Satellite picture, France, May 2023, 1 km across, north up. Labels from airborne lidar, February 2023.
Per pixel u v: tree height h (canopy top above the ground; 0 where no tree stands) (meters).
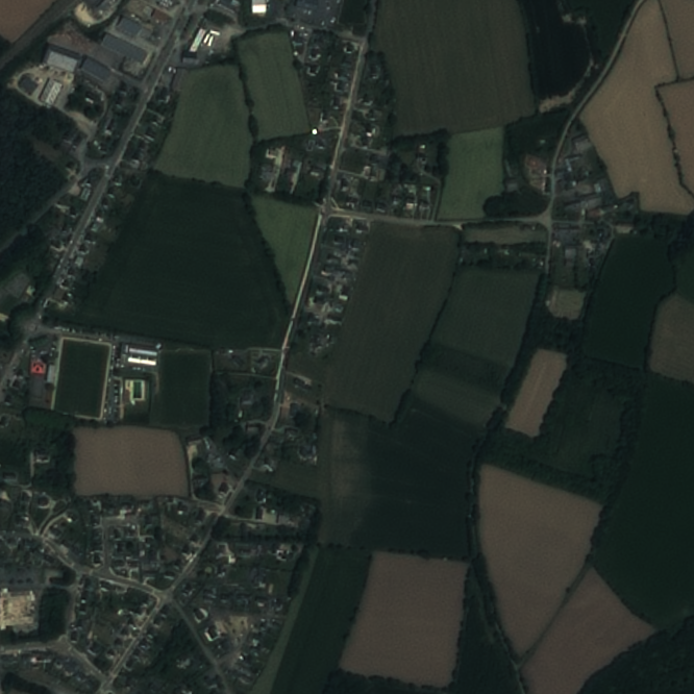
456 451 0
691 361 0
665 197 0
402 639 0
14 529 0
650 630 0
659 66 0
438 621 0
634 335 0
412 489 0
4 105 30
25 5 0
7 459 0
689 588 0
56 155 0
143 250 0
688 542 0
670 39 6
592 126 0
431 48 0
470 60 0
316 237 0
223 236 0
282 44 0
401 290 0
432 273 0
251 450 17
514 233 0
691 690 0
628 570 0
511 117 0
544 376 0
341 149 0
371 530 0
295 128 0
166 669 15
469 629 7
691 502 0
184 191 0
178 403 0
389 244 0
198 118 0
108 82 0
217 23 9
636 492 0
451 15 0
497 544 0
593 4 0
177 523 0
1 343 24
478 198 0
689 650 16
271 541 9
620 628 0
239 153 0
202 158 0
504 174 0
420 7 0
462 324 0
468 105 0
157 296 0
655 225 12
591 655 0
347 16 0
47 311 5
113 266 0
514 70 0
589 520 0
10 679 17
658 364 0
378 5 9
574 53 0
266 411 7
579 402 0
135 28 0
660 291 0
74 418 12
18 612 0
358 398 0
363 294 0
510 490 0
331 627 0
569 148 0
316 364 0
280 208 0
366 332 0
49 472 7
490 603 7
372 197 0
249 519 0
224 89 0
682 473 0
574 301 0
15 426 0
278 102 0
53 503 0
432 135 10
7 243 0
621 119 0
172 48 0
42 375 0
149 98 0
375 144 0
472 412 0
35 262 18
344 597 0
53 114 19
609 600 0
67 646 0
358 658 0
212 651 0
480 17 0
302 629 0
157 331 0
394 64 0
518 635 0
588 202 0
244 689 0
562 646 0
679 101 0
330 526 0
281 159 0
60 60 0
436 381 0
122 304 0
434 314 0
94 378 0
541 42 0
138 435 0
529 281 0
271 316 0
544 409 0
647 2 0
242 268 0
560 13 0
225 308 0
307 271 0
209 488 17
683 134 0
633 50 0
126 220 0
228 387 11
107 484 0
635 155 0
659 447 0
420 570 0
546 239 0
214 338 0
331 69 0
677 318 0
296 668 0
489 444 13
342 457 0
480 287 0
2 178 24
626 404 9
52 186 16
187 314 0
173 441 0
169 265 0
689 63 0
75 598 0
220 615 0
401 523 0
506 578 0
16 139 28
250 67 0
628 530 0
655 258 0
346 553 0
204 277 0
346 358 0
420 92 0
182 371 0
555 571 0
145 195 0
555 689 0
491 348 0
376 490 0
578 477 9
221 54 0
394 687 13
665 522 0
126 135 0
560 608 0
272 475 7
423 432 0
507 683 6
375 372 0
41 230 12
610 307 0
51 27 0
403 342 0
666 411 0
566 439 0
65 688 0
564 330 9
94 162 0
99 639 0
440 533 0
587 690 14
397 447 0
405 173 15
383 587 0
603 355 0
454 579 0
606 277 0
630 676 20
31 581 9
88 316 0
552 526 0
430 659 0
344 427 0
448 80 0
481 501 0
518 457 12
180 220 0
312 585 0
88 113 12
